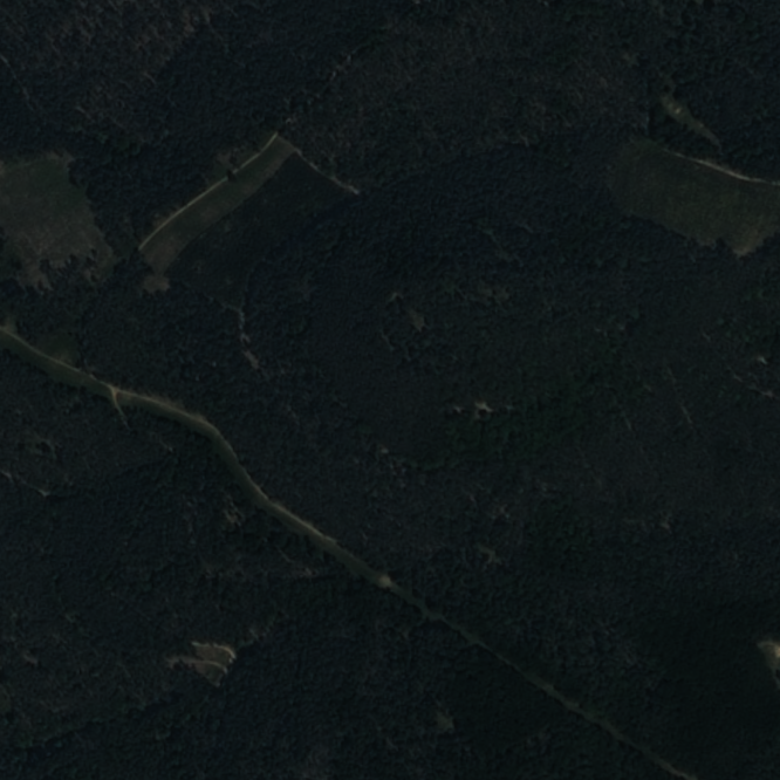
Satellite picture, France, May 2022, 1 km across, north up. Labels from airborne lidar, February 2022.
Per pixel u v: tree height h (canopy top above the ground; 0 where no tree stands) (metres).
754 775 28
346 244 23
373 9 19
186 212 0
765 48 24
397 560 17
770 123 24
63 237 0
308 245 17
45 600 22
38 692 23
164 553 21
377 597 15
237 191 0
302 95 19
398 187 20
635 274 23
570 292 20
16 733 24
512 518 18
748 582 21
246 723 18
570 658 14
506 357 22
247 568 18
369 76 21
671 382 18
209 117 15
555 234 21
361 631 11
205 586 17
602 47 22
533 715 22
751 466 23
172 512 17
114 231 19
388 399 24
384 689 21
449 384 17
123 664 22
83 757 23
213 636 19
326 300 25
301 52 14
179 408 0
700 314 20
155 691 23
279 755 17
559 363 18
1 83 21
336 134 21
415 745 16
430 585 19
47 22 20
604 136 23
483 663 23
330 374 20
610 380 26
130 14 21
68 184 0
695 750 23
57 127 24
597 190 21
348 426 16
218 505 14
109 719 24
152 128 14
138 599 18
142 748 21
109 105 18
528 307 21
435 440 24
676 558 20
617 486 18
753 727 26
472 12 19
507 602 21
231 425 16
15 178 0
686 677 22
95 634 18
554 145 18
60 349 0
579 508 22
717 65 17
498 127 26
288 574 20
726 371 19
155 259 0
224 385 19
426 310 12
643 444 16
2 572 26
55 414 23
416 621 18
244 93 12
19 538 24
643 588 22
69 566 22
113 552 21
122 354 22
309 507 18
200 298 17
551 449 21
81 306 20
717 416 20
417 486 15
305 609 20
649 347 24
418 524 18
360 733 18
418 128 23
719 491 22
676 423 17
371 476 17
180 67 15
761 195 0
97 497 18
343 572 15
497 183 16
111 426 23
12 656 21
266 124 19
